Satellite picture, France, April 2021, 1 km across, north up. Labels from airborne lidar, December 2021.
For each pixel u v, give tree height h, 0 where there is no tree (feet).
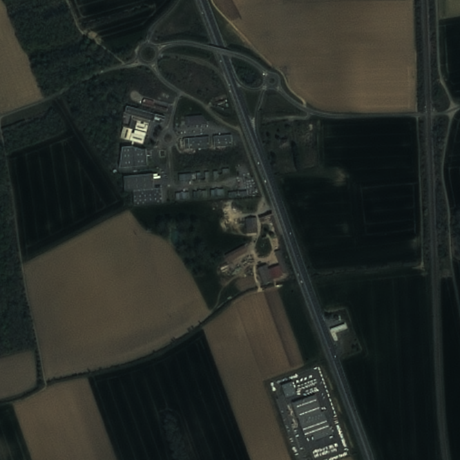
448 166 0
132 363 0
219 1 0
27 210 0
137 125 0
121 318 0
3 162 86
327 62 0
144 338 0
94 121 49
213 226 0
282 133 0
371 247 0
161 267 0
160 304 0
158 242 0
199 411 0
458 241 79
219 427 0
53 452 0
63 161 0
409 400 0
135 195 0
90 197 0
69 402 0
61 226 0
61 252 0
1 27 0
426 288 0
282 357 0
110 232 0
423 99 30
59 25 98
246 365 0
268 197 0
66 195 0
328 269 0
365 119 0
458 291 0
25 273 0
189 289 0
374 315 0
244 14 0
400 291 0
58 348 0
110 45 0
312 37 0
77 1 0
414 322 0
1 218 64
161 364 0
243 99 0
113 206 0
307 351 0
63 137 0
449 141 0
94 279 0
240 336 0
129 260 0
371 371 0
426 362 0
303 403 0
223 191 0
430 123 0
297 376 0
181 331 0
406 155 0
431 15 25
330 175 0
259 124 0
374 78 0
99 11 0
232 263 0
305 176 0
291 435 0
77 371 0
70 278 0
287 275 0
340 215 0
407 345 0
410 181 0
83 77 66
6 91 0
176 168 0
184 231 71
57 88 62
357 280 0
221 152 0
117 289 0
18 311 91
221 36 0
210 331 0
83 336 0
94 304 0
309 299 0
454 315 0
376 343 0
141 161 0
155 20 0
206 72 0
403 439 0
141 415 0
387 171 0
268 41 0
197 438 0
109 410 0
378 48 0
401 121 0
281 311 0
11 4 86
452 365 0
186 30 0
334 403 0
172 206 0
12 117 0
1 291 93
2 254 74
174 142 0
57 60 85
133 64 0
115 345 0
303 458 0
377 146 0
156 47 0
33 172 0
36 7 76
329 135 0
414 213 0
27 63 0
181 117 0
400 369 0
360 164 0
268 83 0
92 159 0
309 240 0
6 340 67
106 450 0
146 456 0
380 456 0
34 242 0
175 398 0
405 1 0
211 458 0
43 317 0
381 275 0
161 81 0
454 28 0
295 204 0
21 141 35
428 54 0
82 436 0
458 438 0
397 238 0
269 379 0
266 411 0
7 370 0
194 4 0
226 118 0
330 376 0
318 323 0
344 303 0
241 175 0
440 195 55
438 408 0
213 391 0
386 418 0
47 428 0
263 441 0
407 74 0
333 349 0
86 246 0
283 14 0
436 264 0
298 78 0
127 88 24
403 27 0
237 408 0
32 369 0
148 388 0
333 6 0
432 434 0
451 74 0
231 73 0
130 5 0
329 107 0
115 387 0
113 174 27
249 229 0
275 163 26
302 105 0
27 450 0
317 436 0
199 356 0
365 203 0
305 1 0
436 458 0
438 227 47
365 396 0
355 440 0
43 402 0
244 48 0
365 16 0
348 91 0
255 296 0
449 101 0
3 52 0
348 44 0
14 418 0
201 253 90
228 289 0
